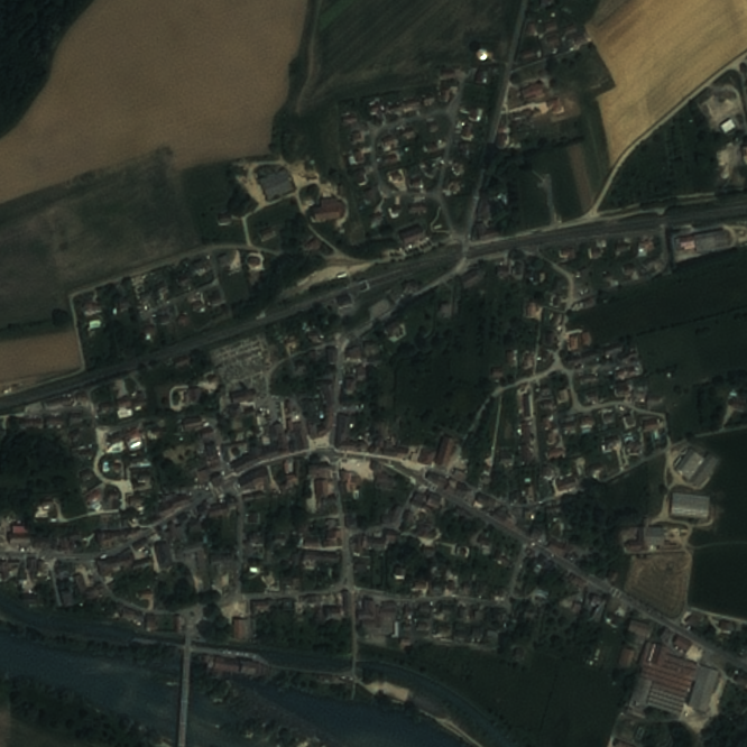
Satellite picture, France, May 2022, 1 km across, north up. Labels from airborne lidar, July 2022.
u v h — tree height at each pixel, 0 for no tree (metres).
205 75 0
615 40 0
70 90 0
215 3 0
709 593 0
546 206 0
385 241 11
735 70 0
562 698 0
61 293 0
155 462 10
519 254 10
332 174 12
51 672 0
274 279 15
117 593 7
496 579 0
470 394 0
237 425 0
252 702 0
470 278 0
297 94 0
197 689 16
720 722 10
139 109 0
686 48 0
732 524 0
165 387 0
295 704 0
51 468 13
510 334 9
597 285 0
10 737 0
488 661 0
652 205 10
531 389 0
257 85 0
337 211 0
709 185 0
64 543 0
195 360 8
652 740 9
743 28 0
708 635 6
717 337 0
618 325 0
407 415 6
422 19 0
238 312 13
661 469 0
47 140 0
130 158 0
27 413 0
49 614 0
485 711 0
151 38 0
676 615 0
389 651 0
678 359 0
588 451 6
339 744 0
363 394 6
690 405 0
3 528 0
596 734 0
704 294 0
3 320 0
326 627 9
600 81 0
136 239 0
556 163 0
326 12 0
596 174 0
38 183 0
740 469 0
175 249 0
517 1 0
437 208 0
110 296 6
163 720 0
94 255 0
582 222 0
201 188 0
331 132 0
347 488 0
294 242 12
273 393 6
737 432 0
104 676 0
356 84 0
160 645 10
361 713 0
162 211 0
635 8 0
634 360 9
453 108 0
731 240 0
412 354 16
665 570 0
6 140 0
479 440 16
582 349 0
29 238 0
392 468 0
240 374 0
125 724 18
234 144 0
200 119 0
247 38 0
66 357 0
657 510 0
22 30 11
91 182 0
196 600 14
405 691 0
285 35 0
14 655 0
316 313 13
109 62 0
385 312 0
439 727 14
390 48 0
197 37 0
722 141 9
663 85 0
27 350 0
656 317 0
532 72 0
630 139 0
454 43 0
